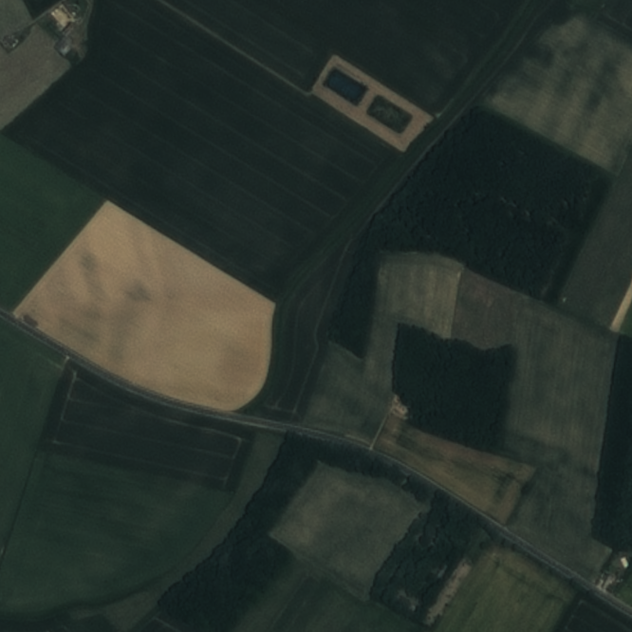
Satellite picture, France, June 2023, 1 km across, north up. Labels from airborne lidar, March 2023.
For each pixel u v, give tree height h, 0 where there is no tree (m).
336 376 0
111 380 0
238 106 0
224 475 0
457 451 0
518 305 0
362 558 0
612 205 0
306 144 0
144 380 0
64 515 0
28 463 0
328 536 0
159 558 0
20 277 0
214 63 0
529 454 0
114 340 0
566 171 24
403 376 20
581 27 0
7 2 0
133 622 0
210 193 0
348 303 19
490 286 0
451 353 16
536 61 0
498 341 0
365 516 0
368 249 17
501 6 0
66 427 0
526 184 26
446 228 23
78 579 0
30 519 0
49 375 0
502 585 0
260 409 0
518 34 0
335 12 0
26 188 0
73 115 0
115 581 0
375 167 0
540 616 0
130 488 0
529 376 0
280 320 0
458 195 25
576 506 0
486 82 0
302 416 0
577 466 0
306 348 0
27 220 0
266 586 13
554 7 0
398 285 0
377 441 0
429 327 0
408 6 0
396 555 17
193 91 0
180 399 0
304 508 0
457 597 0
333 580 0
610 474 13
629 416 13
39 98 0
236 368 0
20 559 0
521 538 0
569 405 0
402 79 0
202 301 0
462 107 0
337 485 0
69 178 0
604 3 0
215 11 0
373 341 0
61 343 0
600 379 0
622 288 0
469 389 19
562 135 0
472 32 0
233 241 0
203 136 0
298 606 0
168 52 0
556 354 0
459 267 0
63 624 0
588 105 0
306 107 0
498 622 0
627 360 18
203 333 0
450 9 0
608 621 0
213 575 13
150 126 0
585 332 0
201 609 20
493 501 0
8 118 0
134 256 0
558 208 25
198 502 0
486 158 27
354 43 0
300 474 19
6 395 0
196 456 0
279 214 0
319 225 0
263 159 0
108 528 0
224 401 0
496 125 24
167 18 0
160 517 0
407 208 22
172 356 0
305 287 0
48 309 0
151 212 0
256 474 0
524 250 26
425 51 0
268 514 20
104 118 0
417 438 0
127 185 0
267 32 0
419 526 16
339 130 0
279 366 0
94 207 0
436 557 21
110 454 0
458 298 0
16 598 0
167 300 0
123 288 0
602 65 0
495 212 22
